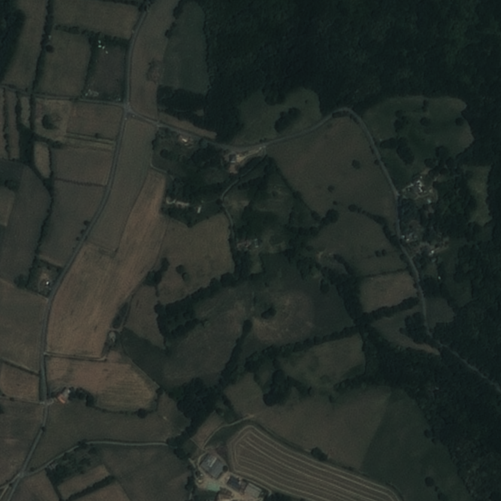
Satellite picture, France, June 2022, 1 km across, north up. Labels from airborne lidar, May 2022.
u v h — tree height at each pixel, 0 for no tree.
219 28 16
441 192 6
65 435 0
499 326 14
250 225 8
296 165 0
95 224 0
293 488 0
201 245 0
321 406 0
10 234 0
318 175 0
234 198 0
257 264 0
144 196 0
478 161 20
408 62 17
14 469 0
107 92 0
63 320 0
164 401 0
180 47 0
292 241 11
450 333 15
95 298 0
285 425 0
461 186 19
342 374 0
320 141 0
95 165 0
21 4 0
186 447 0
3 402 0
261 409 0
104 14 0
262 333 0
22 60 0
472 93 18
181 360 0
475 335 15
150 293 0
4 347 0
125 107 0
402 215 19
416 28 11
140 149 0
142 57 0
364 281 0
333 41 23
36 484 0
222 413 10
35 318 0
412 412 0
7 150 11
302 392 9
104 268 0
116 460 0
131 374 0
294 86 16
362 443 0
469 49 21
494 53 21
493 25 13
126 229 0
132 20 0
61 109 0
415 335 19
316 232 16
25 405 0
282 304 0
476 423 13
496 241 21
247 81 25
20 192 0
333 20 14
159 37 0
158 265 0
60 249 0
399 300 0
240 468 0
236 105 16
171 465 0
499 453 24
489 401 9
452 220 19
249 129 0
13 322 0
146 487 0
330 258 0
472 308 14
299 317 0
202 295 20
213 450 0
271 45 23
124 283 0
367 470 0
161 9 0
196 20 0
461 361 17
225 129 20
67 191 0
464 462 18
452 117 0
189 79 0
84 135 0
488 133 22
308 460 0
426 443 0
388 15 17
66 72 0
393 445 0
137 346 0
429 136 0
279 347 8
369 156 0
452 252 0
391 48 19
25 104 0
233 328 0
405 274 0
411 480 0
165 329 18
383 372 18
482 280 11
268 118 0
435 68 19
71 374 0
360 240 0
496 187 13
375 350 23
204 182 0
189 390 18
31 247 0
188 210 10
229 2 13
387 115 0
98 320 0
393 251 0
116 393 0
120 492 0
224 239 0
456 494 0
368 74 19
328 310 0
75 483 0
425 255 10
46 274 0
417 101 0
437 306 0
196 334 0
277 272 0
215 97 22
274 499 18
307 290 0
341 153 0
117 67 0
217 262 0
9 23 25
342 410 0
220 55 14
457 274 13
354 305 31
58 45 0
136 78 0
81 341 0
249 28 15
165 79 0
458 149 0
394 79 14
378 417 0
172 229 0
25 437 0
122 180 0
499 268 12
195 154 12
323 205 0
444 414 30
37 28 0
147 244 0
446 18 15
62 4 0
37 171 7
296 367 0
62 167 0
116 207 0
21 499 0
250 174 6
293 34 25
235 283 14
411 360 15
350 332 17
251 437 0
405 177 0
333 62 21
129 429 0
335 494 0
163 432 0
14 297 0
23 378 0
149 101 0
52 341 0
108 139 0
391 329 0
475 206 18
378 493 0
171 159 10
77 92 0
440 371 17
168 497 0
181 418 0
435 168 11
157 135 6
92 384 0
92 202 0
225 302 0
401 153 21
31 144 18
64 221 0
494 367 20
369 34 15
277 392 19
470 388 13
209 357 0
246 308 0
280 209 0
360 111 21
